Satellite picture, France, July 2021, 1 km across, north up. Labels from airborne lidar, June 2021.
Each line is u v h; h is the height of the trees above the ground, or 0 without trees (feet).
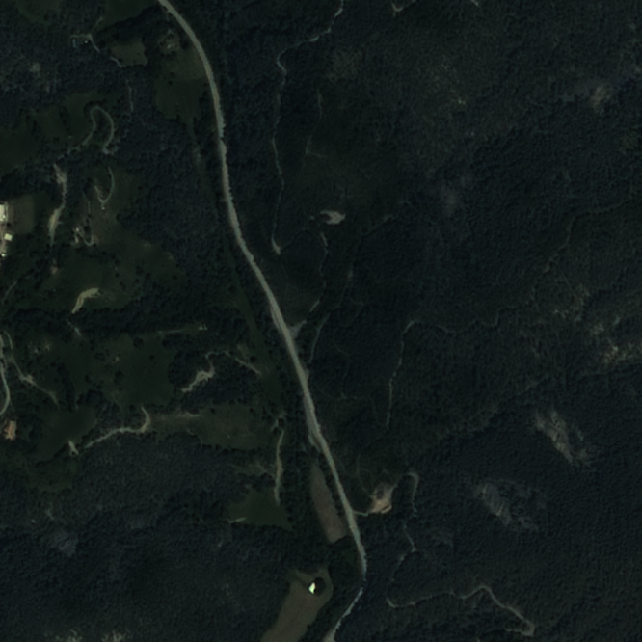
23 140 0
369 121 50
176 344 43
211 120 47
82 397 42
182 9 31
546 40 31
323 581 39
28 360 29
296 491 34
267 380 0
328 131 24
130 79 32
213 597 24
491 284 39
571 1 34
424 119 23
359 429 30
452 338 52
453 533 26
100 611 33
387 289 21
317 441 0
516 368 64
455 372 74
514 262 29
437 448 39
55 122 0
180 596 21
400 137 30
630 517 54
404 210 29
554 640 29
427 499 31
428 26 28
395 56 28
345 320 51
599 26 32
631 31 24
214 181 42
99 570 35
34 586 59
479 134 32
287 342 0
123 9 0
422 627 37
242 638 38
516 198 43
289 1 22
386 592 35
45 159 26
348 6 24
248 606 24
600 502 33
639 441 38
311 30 77
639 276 34
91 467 25
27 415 24
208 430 0
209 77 0
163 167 41
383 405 25
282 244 31
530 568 25
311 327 36
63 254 34
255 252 19
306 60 31
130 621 21
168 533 38
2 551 49
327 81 39
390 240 24
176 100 0
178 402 23
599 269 24
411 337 45
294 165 22
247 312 0
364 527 59
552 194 31
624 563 34
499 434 55
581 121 22
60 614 20
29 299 27
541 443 32
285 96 27
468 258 38
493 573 34
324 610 40
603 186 28
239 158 82
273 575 28
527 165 57
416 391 60
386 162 32
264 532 67
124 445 19
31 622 25
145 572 40
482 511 33
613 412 46
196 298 52
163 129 47
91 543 35
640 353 27
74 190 38
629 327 37
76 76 37
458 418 62
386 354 27
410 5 20
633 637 45
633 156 38
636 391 27
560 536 38
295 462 51
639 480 36
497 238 51
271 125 84
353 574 66
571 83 29
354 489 26
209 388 34
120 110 40
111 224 0
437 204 49
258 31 50
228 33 68
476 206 53
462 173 34
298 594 0
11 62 30
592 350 31
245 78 71
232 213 0
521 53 25
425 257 37
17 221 0
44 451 0
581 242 34
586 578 20
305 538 27
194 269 50
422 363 72
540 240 30
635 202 35
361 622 38
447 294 31
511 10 46
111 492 32
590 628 42
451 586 33
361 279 25
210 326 34
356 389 22
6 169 0
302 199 18
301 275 26
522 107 38
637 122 28
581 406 55
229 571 29
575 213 31
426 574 41
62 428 0
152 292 23
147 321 41
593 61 44
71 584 53
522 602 41
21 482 25
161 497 31
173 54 24
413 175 32
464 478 27
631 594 42
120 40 72
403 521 22
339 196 30
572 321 25
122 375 49
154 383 0
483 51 32
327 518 0
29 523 31
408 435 65
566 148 39
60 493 20
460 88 24
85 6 49
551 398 42
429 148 28
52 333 39
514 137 49
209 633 28
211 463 24
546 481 36
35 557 62
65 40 33
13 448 28
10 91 19
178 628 37
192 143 66
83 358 0
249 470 0
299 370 0
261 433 0
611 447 31
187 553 38
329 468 40
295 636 0
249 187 84
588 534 31
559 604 38
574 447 20
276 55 52
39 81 29
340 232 42
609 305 24
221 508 32
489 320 25
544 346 59
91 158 42
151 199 43
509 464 40
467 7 29
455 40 29
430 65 21
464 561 27
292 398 50
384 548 39
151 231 36
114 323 41
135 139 42
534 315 42
